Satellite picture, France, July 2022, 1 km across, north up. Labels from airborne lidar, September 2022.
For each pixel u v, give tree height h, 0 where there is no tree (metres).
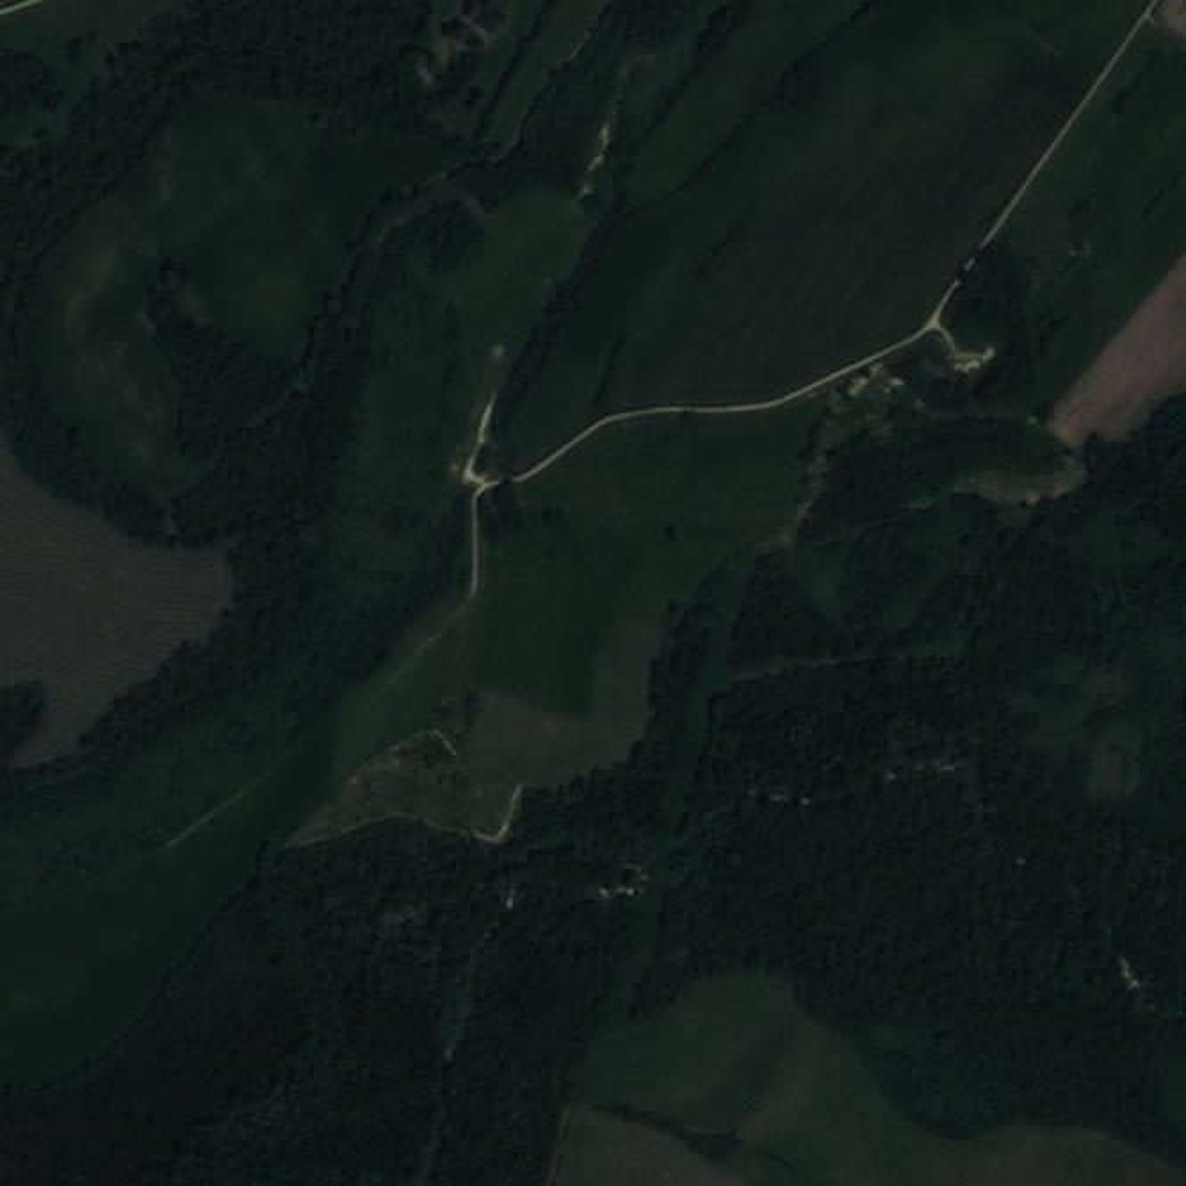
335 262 0
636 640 0
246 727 10
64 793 11
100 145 21
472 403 0
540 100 8
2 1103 7
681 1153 0
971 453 8
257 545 16
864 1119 0
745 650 8
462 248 7
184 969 8
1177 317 0
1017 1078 6
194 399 11
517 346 0
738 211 0
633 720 0
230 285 0
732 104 0
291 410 6
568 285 10
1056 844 8
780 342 0
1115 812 6
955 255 0
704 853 11
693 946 6
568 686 0
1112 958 21
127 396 0
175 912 0
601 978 15
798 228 0
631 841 11
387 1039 8
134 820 0
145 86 19
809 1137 0
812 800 10
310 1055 23
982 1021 9
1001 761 11
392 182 0
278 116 0
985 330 0
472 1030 10
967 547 14
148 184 0
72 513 0
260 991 7
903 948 17
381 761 0
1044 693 11
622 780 13
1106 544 0
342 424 7
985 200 0
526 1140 12
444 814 0
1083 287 0
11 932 0
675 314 0
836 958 21
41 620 0
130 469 0
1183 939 21
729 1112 0
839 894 18
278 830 0
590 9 0
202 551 17
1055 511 20
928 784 17
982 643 17
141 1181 21
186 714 16
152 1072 7
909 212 0
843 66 0
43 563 0
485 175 10
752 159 0
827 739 17
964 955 21
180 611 0
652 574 0
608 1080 0
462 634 0
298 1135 19
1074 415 0
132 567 0
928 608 6
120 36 0
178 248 0
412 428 0
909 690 17
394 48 16
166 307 18
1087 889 22
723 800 8
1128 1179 0
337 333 9
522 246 0
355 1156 23
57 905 0
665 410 0
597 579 0
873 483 8
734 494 0
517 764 0
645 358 0
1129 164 0
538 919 9
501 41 0
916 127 0
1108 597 7
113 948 0
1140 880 19
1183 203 0
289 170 0
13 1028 0
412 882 8
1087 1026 19
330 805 0
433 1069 12
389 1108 12
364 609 6
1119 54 0
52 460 11
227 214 0
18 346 7
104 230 0
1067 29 0
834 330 0
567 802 19
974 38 0
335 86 23
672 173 0
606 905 7
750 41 0
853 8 0
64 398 0
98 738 6
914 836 20
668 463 0
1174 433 17
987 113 0
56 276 0
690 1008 0
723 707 18
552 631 0
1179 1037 8
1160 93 0
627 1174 0
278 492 6
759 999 0
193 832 0
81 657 0
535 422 0
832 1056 0
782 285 0
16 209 7
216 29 25
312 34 22
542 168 13
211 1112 9
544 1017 12
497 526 11
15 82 16
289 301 0
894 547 6
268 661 9
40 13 0
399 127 9
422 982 13
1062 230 0
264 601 16
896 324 0
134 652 0
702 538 0
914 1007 17
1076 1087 10
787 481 0
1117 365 0
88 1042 0
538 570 0
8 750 8
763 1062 0
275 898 10
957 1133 8
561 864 18
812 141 0
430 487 0
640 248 0
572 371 0
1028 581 7
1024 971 5
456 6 0
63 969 0
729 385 0
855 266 0
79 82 0
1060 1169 0
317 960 22
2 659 0
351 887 16
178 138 0
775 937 9
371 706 0
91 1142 8
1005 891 15
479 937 6
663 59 0
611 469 0
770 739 16
